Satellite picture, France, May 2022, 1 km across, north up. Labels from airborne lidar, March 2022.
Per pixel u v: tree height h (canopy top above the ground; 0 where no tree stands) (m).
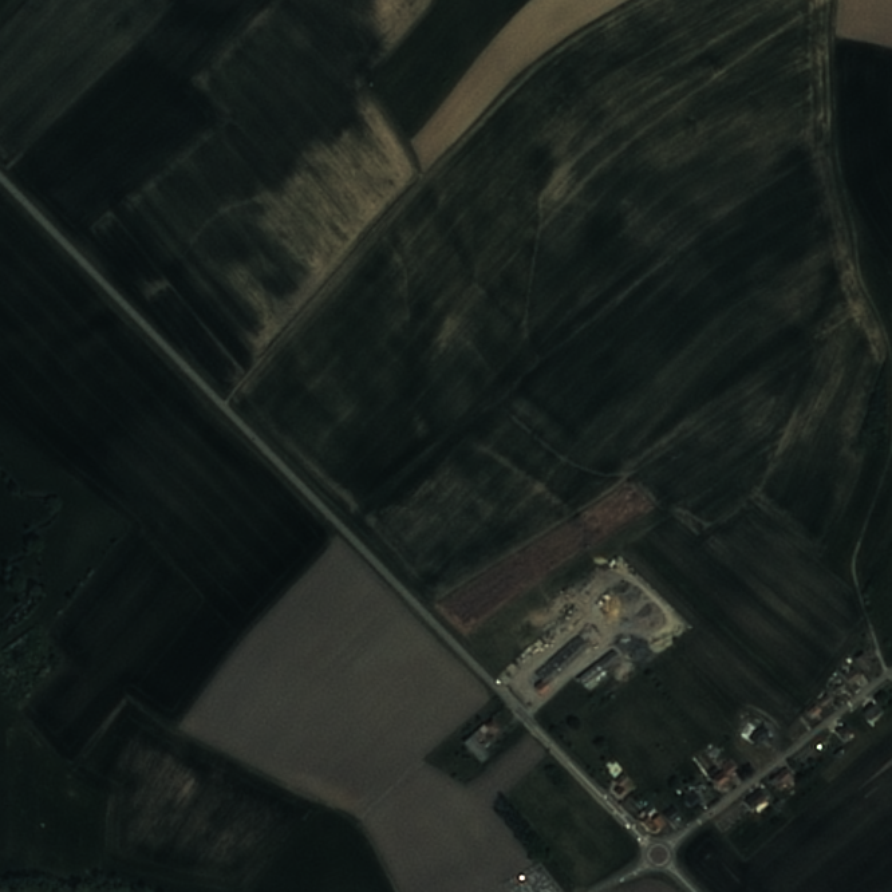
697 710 0
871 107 0
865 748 0
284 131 0
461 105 0
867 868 0
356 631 0
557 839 0
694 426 0
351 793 0
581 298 0
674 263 0
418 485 0
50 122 0
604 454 0
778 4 0
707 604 0
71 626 0
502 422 0
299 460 0
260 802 0
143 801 0
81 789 0
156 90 0
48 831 0
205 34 0
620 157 0
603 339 0
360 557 0
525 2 0
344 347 0
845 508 0
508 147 0
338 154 0
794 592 0
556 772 6
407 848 0
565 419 0
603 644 0
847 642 0
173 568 0
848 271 0
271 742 0
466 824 0
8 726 0
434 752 0
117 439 0
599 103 0
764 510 0
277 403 0
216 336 0
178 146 0
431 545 0
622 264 0
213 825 0
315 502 0
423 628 0
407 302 0
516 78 0
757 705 0
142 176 0
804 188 0
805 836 0
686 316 0
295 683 0
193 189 0
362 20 0
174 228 0
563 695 0
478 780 0
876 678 0
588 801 0
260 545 0
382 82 0
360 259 0
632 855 0
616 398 0
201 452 0
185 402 0
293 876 0
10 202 0
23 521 0
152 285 0
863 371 0
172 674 0
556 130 0
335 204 0
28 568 0
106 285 0
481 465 0
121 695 0
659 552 0
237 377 0
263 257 0
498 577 0
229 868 0
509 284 0
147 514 0
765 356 0
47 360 0
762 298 0
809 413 0
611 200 0
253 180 0
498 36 0
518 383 0
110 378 0
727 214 0
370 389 0
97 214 0
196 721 0
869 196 0
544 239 0
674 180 0
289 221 0
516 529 0
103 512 0
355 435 0
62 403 0
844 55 0
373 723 0
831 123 0
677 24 0
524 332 0
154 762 0
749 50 0
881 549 0
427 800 0
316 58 0
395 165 0
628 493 0
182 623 0
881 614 0
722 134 0
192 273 0
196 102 0
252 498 0
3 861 0
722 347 0
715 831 0
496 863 0
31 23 0
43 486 0
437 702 0
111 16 0
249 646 0
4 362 0
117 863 0
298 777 0
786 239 0
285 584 0
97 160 0
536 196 0
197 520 0
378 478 0
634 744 0
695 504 0
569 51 0
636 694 0
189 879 0
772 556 0
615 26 0
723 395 0
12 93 0
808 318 0
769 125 0
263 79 0
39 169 0
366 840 0
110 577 0
